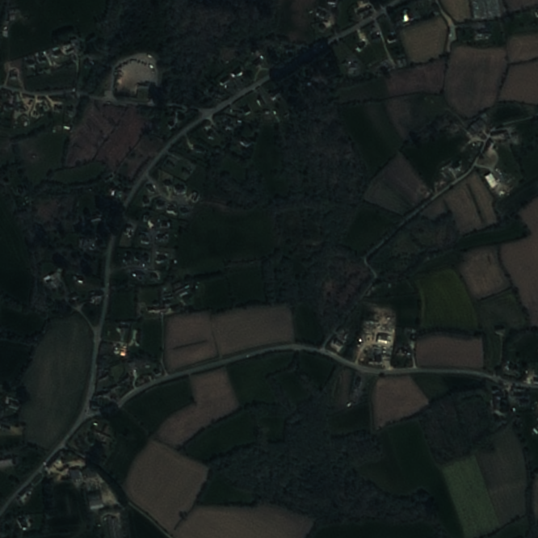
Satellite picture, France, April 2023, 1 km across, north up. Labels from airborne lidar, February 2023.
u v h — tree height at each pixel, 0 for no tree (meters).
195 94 20
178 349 0
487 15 0
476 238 0
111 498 0
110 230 19
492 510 0
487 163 0
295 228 0
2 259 0
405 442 0
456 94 0
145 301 0
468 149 0
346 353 6
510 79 0
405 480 0
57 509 0
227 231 0
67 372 0
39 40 0
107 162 11
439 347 0
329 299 8
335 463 12
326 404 9
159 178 0
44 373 0
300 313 0
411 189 0
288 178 10
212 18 11
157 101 22
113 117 0
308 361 0
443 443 12
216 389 0
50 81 0
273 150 0
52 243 16
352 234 0
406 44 0
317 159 9
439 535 10
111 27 11
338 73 5
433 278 0
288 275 10
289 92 21
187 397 0
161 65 14
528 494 7
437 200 0
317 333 0
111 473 7
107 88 0
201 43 17
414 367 0
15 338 7
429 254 7
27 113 0
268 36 7
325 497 12
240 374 0
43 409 0
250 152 10
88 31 0
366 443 14
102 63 7
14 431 0
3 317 0
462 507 0
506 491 0
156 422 0
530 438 0
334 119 12
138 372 0
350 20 6
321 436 15
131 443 0
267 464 10
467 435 14
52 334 0
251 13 15
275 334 0
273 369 0
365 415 0
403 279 6
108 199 6
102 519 0
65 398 0
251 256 0
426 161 0
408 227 6
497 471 0
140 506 0
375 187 0
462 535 0
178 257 0
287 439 9
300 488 17
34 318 0
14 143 9
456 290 0
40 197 9
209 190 0
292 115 12
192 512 0
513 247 0
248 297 0
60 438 0
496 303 0
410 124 0
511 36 0
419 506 17
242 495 0
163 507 0
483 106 0
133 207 0
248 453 7
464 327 0
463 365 0
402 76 0
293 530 0
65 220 7
